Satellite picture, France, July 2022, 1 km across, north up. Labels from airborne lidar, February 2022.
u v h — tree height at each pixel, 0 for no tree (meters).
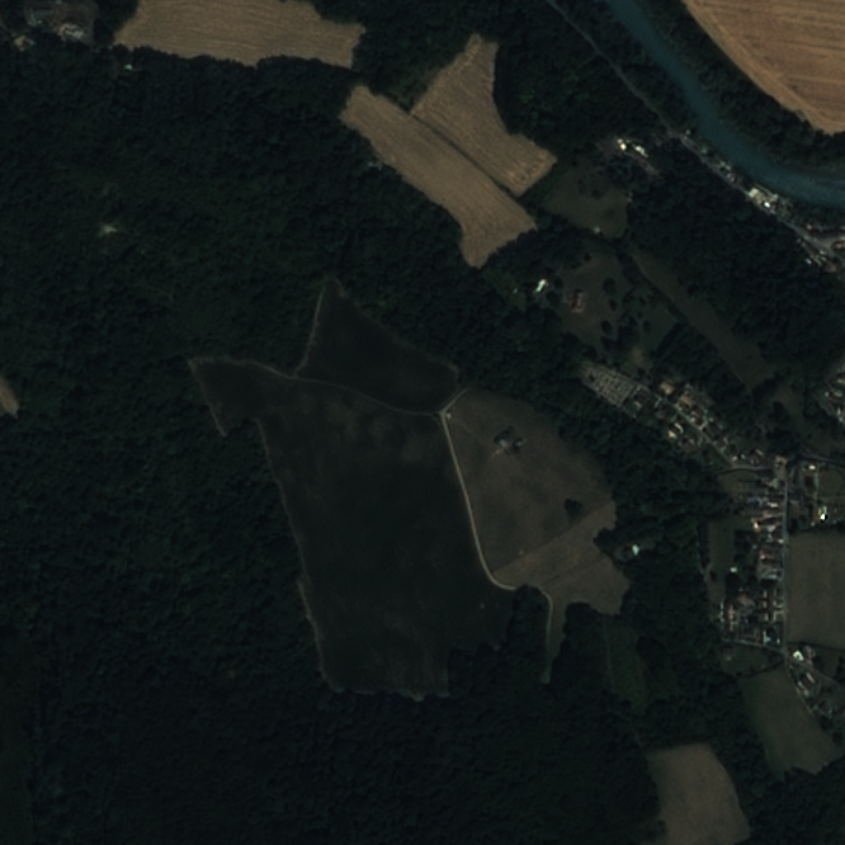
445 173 0
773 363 22
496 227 0
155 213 12
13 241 13
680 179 19
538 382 23
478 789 21
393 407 0
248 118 23
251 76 16
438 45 13
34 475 18
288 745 28
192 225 14
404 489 0
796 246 9
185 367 8
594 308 0
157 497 17
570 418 15
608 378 0
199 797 22
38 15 0
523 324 25
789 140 22
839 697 0
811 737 0
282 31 0
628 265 14
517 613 15
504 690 24
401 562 0
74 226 5
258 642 19
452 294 24
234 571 9
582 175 0
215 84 23
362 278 21
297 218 22
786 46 0
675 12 19
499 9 7
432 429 0
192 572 11
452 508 0
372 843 24
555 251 25
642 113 14
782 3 0
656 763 0
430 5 24
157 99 22
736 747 18
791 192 0
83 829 20
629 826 20
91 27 0
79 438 18
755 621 12
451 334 21
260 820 25
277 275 7
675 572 17
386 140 0
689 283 15
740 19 0
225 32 0
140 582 23
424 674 0
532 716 22
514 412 0
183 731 24
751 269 8
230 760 27
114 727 28
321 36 0
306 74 23
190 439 8
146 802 21
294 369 8
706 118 0
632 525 17
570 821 26
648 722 8
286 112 16
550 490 0
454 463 0
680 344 15
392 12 19
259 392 0
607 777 27
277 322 6
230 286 6
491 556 0
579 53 21
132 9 17
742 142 0
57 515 24
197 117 25
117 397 9
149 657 27
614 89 16
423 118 0
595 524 0
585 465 0
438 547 0
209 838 23
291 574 14
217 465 6
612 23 24
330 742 24
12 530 19
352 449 0
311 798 24
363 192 22
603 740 21
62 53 22
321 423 0
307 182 16
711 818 0
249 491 12
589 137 18
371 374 0
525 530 0
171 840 21
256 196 9
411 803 31
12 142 16
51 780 25
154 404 7
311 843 25
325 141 29
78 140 19
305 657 20
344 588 0
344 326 0
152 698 25
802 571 0
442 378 0
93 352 14
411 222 19
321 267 8
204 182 12
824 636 0
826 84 0
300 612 18
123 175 6
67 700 26
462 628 0
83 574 30
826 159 23
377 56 10
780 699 0
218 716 23
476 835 19
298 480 0
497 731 23
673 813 0
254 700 23
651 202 20
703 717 19
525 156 0
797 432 0
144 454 10
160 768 21
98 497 16
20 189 18
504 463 0
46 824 12
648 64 10
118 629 28
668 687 0
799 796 17
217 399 0
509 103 18
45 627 25
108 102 21
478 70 0
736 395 21
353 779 6
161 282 9
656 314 0
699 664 23
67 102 14
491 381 15
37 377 12
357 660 0
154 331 13
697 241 32
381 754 25
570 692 22
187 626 20
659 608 19
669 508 17
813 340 29
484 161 0
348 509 0
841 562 0
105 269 9
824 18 0
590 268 0
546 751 19
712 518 15
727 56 0
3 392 0
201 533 9
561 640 0
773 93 0
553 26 18
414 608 0
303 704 25
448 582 0
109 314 9
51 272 8
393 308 13
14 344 6
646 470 21
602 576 0
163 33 0
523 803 19
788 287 29
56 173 17
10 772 0
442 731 27
